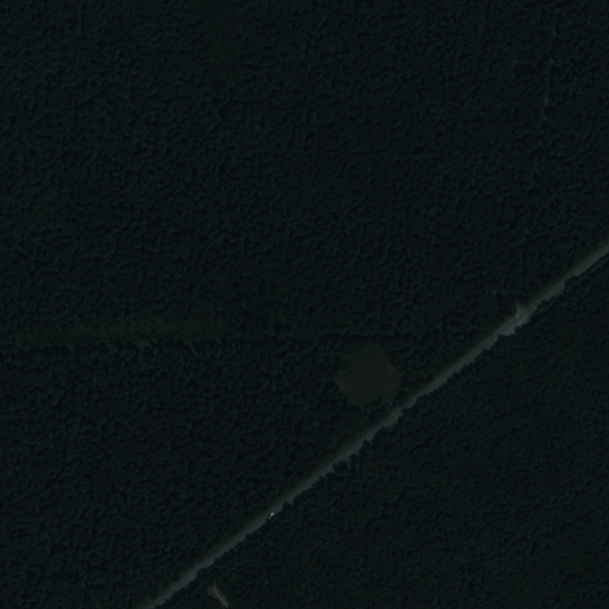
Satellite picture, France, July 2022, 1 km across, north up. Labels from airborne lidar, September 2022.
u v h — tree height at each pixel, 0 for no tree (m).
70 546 28
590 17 27
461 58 28
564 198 28
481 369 26
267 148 25
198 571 0
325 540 28
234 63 25
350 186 29
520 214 27
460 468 22
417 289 31
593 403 22
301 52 29
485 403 25
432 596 24
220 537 18
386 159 29
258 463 26
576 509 24
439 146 27
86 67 23
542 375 22
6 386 28
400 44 26
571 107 29
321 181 28
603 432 21
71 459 24
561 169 27
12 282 26
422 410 22
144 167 25
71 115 23
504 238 30
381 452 24
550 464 21
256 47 26
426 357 29
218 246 23
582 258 8
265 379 30
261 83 28
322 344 28
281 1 29
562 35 25
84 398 29
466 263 32
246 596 27
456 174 29
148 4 22
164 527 30
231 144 21
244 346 26
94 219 23
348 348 30
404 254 30
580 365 22
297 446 31
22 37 20
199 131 27
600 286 21
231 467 26
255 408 28
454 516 21
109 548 29
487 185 31
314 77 30
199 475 30
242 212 25
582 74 29
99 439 25
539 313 8
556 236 26
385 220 26
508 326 0
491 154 31
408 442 22
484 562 21
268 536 22
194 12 21
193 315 28
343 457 0
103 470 30
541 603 23
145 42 24
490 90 31
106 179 23
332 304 26
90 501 27
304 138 29
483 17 28
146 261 29
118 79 22
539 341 21
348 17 29
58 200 18
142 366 30
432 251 32
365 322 28
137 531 28
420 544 24
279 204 27
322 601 23
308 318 23
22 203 24
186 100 27
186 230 22
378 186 30
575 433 20
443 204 28
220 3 25
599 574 19
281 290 24
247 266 22
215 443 31
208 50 28
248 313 22
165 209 25
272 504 11
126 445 33
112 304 30
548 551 23
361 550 25
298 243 24
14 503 24
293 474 30
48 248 25
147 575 29
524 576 25
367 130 29
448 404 25
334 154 28
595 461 18
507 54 28
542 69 24
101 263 26
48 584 24
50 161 25
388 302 31
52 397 28
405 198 30
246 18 26
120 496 30
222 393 30
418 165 28
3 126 31
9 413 26
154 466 29
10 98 24
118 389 28
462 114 30
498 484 25
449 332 30
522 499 25
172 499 31
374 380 0
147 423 31
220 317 30
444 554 25
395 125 29
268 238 30
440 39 29
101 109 24
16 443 27
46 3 23
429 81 27
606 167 26
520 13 25
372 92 28
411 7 24
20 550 25
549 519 26
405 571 24
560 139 27
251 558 23
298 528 22
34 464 28
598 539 22
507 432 24
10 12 21
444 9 30
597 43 26
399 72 31
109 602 26
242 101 28
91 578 27
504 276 30
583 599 20
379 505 26
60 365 29
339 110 30
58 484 27
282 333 24
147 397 26
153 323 23
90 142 23
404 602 21
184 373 30
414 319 26
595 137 29
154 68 27
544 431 21
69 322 28
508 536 22
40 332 27
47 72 13
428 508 27
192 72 22
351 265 29
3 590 29
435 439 23
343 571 23
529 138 31
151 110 26
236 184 29
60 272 25
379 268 29
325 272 25
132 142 27
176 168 26
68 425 27
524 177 29
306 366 29
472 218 30
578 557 20
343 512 25
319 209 30
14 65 21
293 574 24
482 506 28
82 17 21
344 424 29
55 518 29
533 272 28
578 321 23
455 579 24
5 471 28
